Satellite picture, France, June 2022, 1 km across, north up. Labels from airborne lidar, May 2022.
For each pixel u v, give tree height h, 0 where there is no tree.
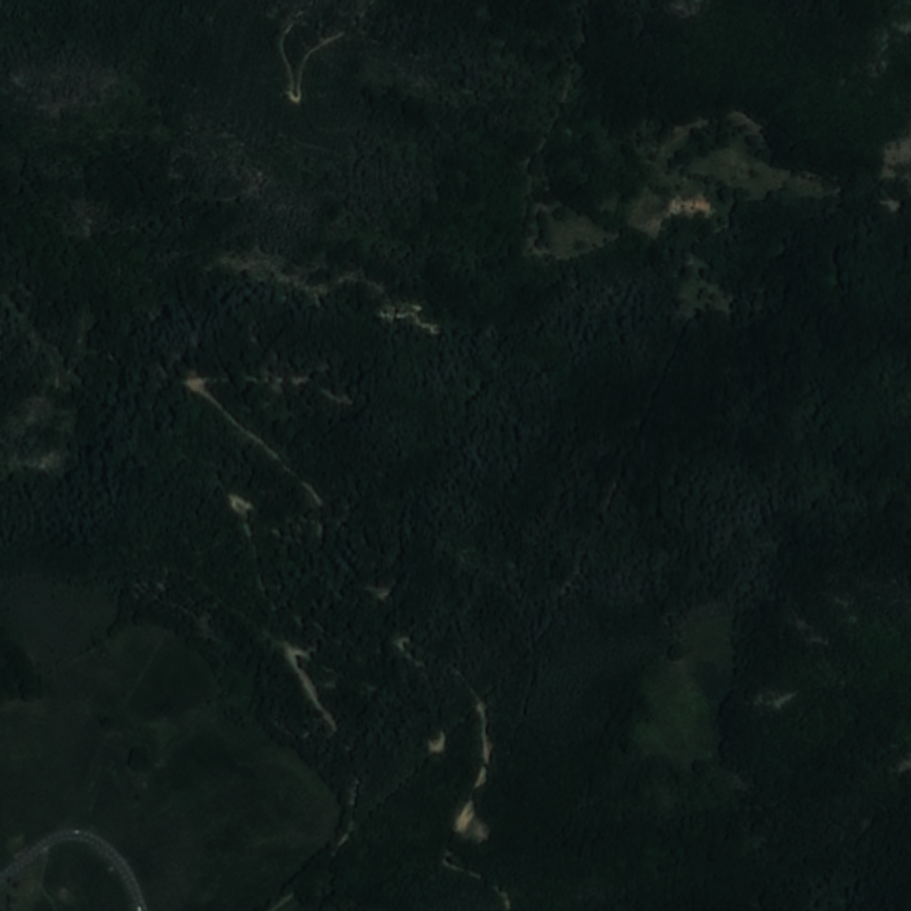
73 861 0
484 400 15
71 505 12
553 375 19
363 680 11
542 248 15
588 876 11
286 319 30
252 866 0
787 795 18
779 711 7
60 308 23
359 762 17
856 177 19
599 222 13
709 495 11
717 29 9
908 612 7
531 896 12
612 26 15
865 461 14
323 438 22
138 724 0
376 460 16
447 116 13
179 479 8
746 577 8
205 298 22
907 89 19
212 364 20
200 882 0
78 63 9
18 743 0
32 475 12
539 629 15
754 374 12
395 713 11
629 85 16
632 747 23
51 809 0
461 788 12
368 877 22
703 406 22
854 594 12
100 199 18
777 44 12
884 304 13
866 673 21
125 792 0
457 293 15
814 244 37
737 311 12
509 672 9
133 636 0
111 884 0
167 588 8
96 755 0
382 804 9
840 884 25
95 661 0
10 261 21
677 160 13
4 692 19
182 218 21
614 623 9
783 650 15
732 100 23
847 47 13
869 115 13
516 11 12
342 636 19
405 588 21
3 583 13
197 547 9
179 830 0
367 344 31
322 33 9
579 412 22
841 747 27
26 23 9
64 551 17
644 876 13
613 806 9
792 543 8
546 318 25
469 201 18
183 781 0
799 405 10
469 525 18
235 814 0
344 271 14
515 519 19
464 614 11
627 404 19
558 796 16
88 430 18
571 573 12
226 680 12
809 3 19
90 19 12
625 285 14
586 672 12
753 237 19
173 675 0
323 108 7
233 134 11
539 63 12
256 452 19
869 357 13
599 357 27
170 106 16
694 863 23
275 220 14
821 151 23
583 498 19
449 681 15
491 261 8
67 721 0
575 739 16
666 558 8
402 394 18
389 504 28
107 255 14
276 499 7
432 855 17
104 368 19
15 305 13
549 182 7
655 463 21
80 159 10
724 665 0
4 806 0
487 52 12
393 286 14
